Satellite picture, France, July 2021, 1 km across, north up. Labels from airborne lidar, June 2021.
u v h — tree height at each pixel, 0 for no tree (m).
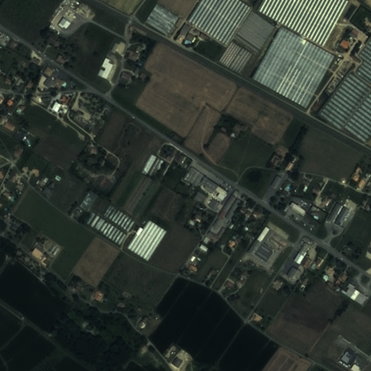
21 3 0
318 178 0
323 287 0
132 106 0
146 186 0
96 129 0
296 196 5
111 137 0
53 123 0
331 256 13
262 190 0
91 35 0
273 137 0
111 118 0
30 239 0
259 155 0
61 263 0
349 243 10
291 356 0
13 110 0
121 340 27
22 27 0
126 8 0
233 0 0
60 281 12
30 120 0
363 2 0
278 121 0
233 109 0
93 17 0
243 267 0
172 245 0
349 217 0
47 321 0
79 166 0
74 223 0
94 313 17
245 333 0
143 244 0
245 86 0
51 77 0
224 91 0
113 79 0
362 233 0
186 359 0
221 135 0
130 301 0
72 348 14
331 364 0
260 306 0
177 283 0
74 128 0
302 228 0
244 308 0
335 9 0
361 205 6
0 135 0
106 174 0
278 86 0
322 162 0
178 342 0
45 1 0
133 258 0
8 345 0
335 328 0
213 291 0
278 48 0
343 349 0
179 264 0
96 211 0
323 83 0
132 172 0
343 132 0
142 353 0
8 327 0
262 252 0
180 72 0
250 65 0
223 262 0
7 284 0
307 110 0
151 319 0
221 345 0
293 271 0
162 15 0
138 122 0
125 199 0
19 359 0
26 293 0
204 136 0
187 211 0
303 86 0
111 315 11
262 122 0
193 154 0
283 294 0
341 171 0
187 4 0
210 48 0
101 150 6
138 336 7
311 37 0
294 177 14
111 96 0
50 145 0
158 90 0
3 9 0
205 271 0
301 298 0
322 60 0
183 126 0
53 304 0
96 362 16
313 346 0
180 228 0
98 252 0
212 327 0
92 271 0
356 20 0
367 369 0
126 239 0
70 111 8
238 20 0
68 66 14
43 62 0
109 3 0
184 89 0
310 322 0
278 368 0
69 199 0
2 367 0
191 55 0
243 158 0
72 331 11
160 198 0
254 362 0
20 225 9
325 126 0
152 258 0
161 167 9
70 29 0
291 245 0
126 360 11
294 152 12
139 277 0
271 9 0
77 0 0
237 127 0
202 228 8
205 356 0
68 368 0
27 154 0
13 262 0
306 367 0
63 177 0
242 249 0
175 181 0
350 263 0
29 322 0
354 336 0
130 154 0
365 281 0
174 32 0
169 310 0
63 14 0
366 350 0
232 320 0
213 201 0
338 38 0
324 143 0
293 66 0
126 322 8
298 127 0
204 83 0
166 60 0
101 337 13
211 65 0
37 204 0
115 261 0
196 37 6
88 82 0
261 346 0
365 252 0
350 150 0
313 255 0
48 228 0
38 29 0
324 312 0
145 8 0
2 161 0
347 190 0
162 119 0
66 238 0
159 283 0
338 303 0
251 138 0
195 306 0
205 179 0
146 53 6
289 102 0
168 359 0
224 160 0
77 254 0
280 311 0
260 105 0
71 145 0
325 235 0
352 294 0
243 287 0
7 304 0
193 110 0
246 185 0
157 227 0
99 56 0
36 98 0
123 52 0
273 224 0
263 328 11
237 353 0
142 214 0
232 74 0
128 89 0
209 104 0
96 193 8
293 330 0
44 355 0
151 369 0
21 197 0
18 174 0
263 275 0
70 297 0
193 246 0
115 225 0
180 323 0
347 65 0
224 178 0
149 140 0
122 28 0
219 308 0
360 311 0
